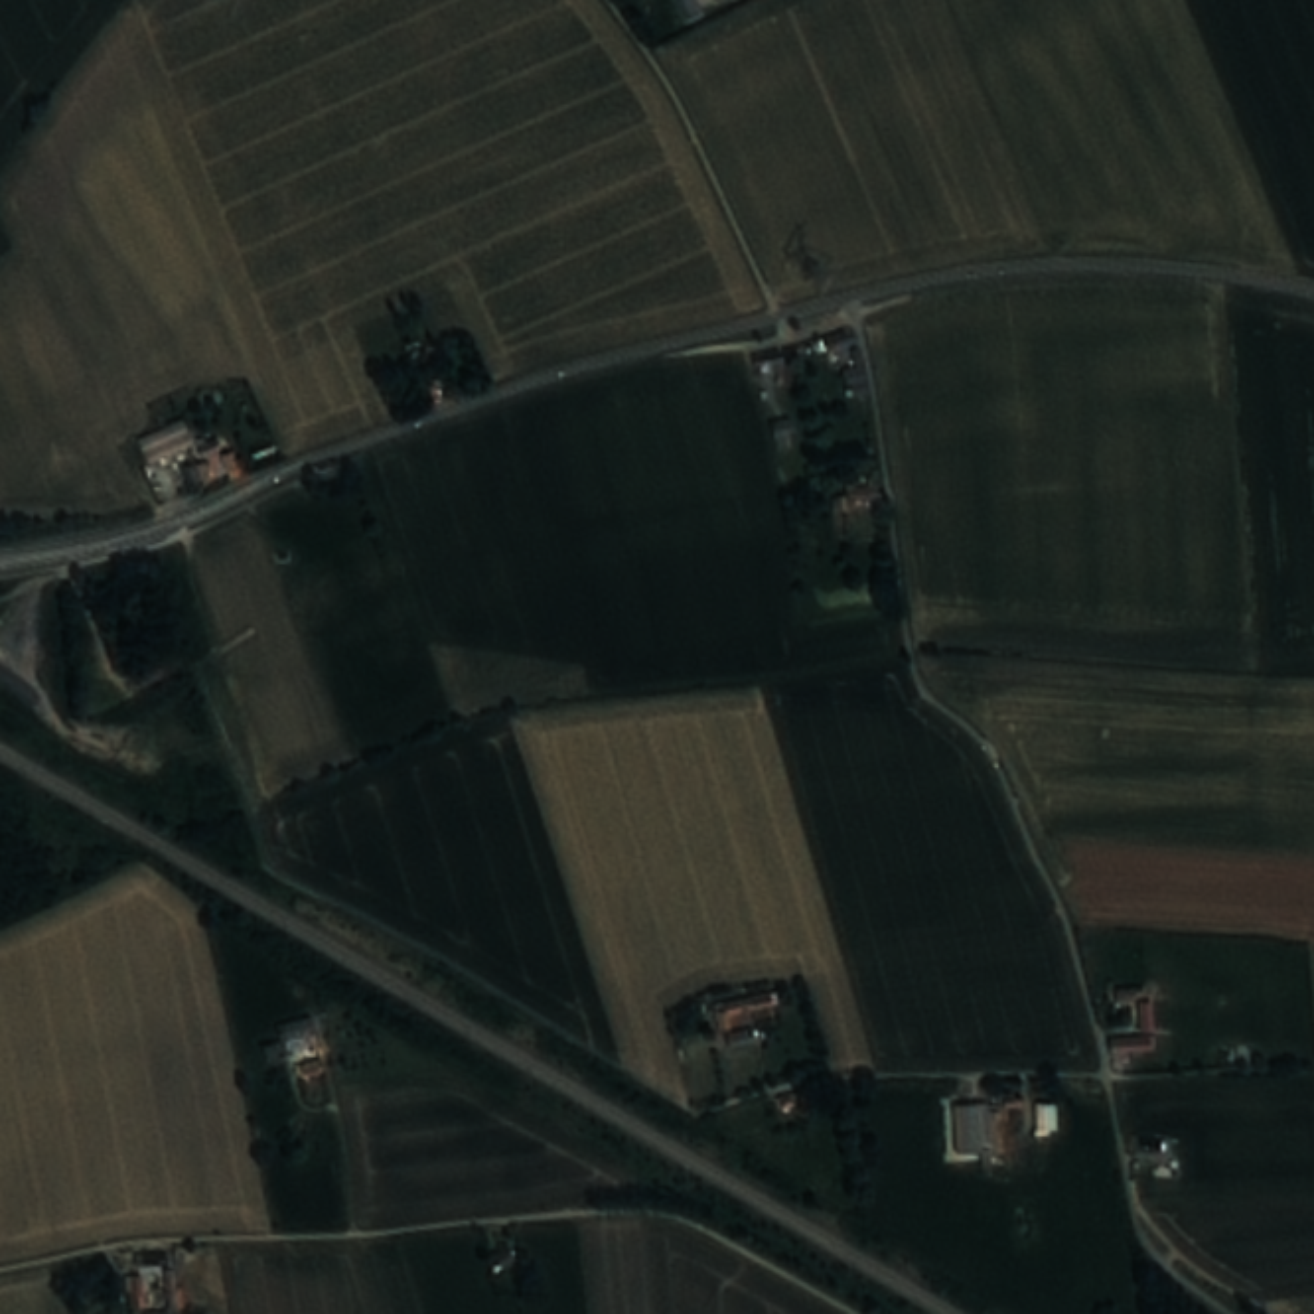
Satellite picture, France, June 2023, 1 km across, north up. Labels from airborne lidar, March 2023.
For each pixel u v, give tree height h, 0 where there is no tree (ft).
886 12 0
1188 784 0
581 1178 0
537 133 0
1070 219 0
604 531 0
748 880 0
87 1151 0
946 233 0
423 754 0
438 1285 0
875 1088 44
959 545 0
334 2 0
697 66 0
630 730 0
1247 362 0
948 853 0
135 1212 0
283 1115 0
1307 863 0
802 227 0
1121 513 0
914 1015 0
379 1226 0
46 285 0
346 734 0
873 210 0
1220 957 0
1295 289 0
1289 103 0
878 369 0
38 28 0
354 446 0
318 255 0
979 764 0
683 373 0
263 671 0
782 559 0
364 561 0
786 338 0
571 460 0
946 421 0
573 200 0
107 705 0
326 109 0
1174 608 0
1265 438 0
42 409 0
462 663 0
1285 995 0
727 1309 0
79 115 0
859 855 0
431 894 0
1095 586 0
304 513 0
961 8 0
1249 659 0
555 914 0
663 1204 70
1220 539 0
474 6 0
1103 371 0
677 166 0
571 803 0
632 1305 0
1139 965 0
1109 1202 0
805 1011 33
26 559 0
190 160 0
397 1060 0
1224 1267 0
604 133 0
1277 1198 0
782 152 0
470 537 0
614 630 0
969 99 0
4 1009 0
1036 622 0
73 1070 0
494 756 0
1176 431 0
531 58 0
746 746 0
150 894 0
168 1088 0
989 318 0
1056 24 0
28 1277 0
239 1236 0
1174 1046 0
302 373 0
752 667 0
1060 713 0
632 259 0
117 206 0
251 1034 0
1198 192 0
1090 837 0
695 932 0
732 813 0
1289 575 0
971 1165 0
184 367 0
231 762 0
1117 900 0
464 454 0
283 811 0
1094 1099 0
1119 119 0
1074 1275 0
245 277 0
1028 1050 0
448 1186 0
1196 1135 0
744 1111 0
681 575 0
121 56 0
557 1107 0
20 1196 0
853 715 0
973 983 0
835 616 0
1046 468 0
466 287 0
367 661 0
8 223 0
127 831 0
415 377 24
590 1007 0
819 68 0
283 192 0
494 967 0
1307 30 0
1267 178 0
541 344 0
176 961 0
